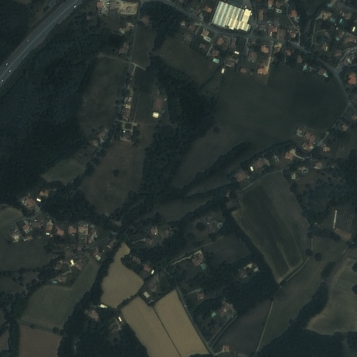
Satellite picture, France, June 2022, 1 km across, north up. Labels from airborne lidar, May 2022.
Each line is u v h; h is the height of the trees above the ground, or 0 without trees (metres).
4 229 0
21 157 26
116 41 12
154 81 0
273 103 0
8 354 26
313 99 0
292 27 0
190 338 0
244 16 0
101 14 0
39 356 0
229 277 23
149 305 7
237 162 0
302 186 0
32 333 0
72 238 0
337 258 0
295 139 0
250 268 12
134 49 0
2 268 0
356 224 0
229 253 0
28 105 27
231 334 0
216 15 0
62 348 14
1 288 0
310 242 0
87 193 0
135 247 14
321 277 0
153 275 7
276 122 0
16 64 0
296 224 0
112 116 0
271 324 0
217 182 0
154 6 22
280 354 24
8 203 18
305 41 10
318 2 0
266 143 0
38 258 0
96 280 9
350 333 12
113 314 21
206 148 0
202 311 18
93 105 0
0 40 22
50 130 19
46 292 0
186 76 19
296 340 27
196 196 12
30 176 24
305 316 22
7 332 0
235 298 23
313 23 11
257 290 24
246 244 14
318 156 7
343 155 0
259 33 8
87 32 16
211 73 0
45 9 7
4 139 20
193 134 27
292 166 11
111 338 0
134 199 20
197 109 10
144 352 18
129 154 0
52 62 9
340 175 24
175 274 17
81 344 14
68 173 0
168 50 0
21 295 26
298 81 0
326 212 10
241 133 0
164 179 24
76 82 24
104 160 0
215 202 18
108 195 0
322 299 20
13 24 25
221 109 0
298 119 0
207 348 0
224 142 0
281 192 0
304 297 0
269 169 16
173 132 32
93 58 13
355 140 0
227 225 22
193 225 0
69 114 25
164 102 0
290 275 0
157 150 12
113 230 14
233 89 0
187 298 14
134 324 0
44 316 0
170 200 10
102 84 0
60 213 21
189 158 0
